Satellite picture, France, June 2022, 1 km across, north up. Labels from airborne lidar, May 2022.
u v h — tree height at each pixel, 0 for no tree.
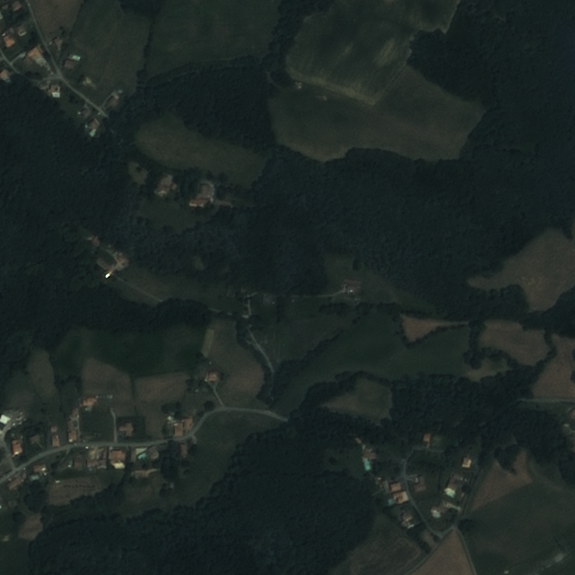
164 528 35
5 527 0
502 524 0
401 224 24
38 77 15
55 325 19
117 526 22
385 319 0
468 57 15
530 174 24
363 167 16
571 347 0
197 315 18
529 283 0
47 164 16
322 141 0
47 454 0
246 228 22
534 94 22
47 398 0
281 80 19
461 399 33
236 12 0
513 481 0
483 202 23
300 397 0
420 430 24
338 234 23
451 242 29
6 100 17
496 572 0
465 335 0
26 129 23
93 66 0
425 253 19
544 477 0
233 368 0
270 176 23
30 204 22
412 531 10
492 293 14
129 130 23
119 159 11
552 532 0
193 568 24
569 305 26
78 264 28
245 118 19
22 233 19
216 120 22
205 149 0
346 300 0
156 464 14
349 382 13
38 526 0
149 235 22
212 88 18
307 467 22
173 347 0
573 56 18
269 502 26
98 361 0
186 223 0
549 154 21
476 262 24
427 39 22
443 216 26
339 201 21
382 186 26
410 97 0
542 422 19
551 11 18
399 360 0
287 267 24
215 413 0
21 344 25
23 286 21
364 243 23
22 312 18
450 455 20
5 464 0
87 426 0
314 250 26
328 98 0
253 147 22
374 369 0
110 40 0
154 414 0
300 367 11
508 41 16
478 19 10
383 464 6
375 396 0
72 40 0
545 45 20
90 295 23
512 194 24
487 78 8
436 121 0
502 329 0
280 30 17
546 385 0
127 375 0
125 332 6
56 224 21
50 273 24
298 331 0
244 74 18
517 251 14
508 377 16
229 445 0
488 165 20
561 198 25
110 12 0
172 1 0
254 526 28
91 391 0
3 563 0
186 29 0
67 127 20
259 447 19
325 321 0
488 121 12
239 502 24
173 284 0
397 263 20
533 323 18
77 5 0
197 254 11
